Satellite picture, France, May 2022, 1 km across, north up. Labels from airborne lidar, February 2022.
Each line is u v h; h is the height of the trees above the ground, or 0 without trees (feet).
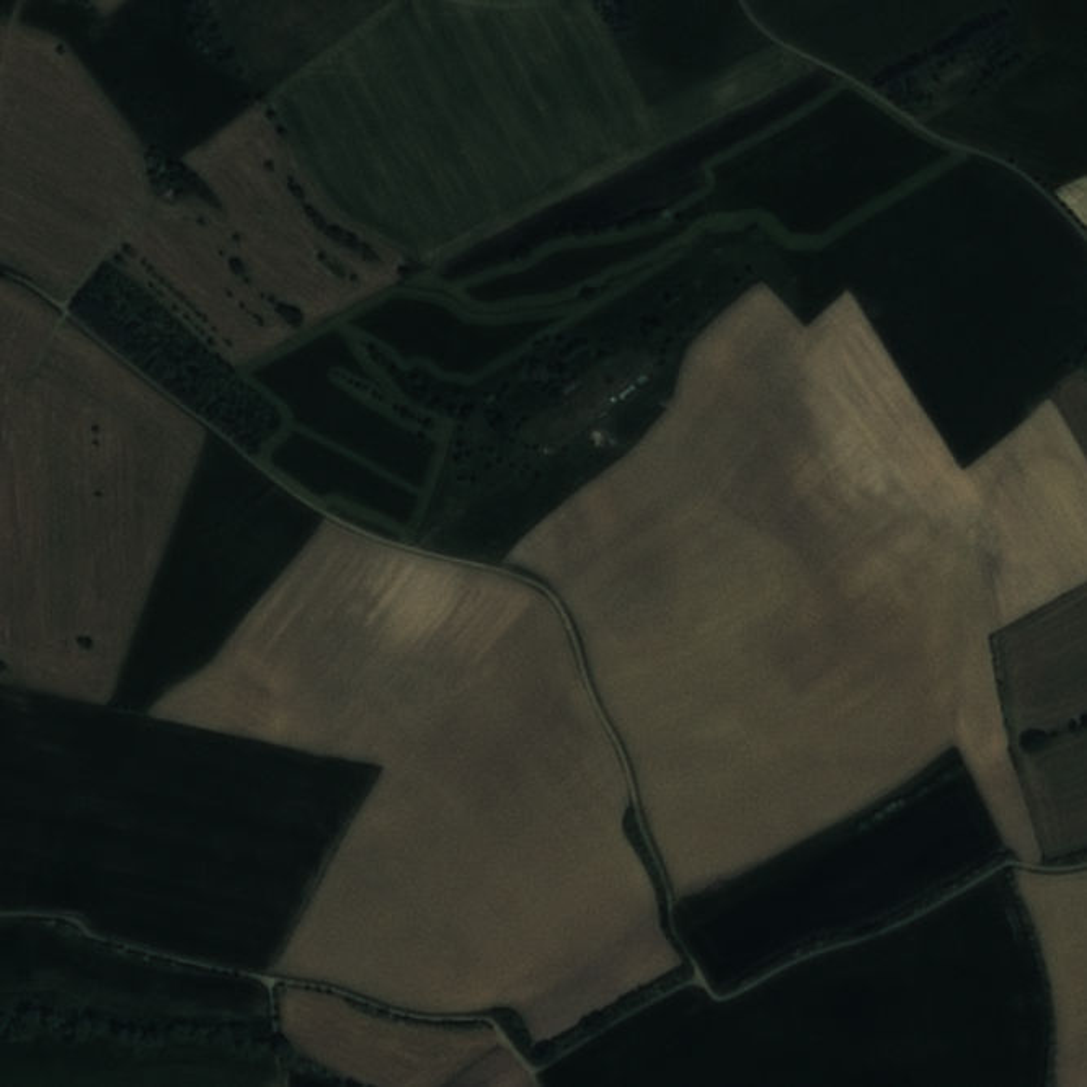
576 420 0
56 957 0
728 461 0
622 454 0
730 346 0
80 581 0
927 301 0
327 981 0
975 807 0
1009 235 0
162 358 22
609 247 0
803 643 0
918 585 0
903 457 0
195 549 0
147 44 0
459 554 0
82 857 0
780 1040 0
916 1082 0
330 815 0
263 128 0
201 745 0
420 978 0
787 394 0
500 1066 0
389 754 0
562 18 0
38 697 0
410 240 0
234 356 0
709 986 0
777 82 0
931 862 0
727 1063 0
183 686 0
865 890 0
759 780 0
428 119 0
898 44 0
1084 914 0
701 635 0
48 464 0
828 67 0
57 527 0
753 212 0
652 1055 0
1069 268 0
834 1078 0
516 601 0
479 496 0
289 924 0
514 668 0
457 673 0
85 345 0
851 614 0
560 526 0
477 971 0
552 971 0
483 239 0
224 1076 0
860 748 0
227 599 0
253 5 0
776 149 0
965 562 0
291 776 0
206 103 0
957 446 0
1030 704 0
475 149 0
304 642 0
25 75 0
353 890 0
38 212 0
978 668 0
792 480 0
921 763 0
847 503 0
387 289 0
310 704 0
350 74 0
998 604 0
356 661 0
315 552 0
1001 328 0
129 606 0
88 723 0
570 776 0
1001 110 0
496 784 0
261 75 0
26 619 0
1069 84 0
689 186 0
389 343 0
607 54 0
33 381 0
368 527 0
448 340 0
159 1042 44
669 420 0
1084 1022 0
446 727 0
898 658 0
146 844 0
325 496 0
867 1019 0
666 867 0
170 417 0
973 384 0
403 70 0
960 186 0
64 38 0
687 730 0
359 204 0
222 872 0
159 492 0
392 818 0
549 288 0
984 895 0
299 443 0
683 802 0
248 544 0
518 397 0
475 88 0
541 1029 0
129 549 0
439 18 0
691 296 0
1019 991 0
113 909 0
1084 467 0
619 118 0
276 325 0
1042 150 0
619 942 0
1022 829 0
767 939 0
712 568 0
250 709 0
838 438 0
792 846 0
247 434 27
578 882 0
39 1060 0
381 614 0
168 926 0
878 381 0
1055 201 0
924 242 0
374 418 0
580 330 0
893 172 0
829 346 0
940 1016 0
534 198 0
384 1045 0
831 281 0
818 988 0
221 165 0
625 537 0
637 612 0
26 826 0
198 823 0
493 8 0
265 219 0
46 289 0
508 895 0
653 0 0
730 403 0
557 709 0
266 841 0
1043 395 0
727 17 0
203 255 0
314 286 0
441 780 0
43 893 0
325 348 0
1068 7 0
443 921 0
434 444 0
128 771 0
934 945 0
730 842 0
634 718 0
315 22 0
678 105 0
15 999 0
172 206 0
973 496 0
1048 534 0
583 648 0
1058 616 0
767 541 0
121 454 0
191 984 0
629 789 0
